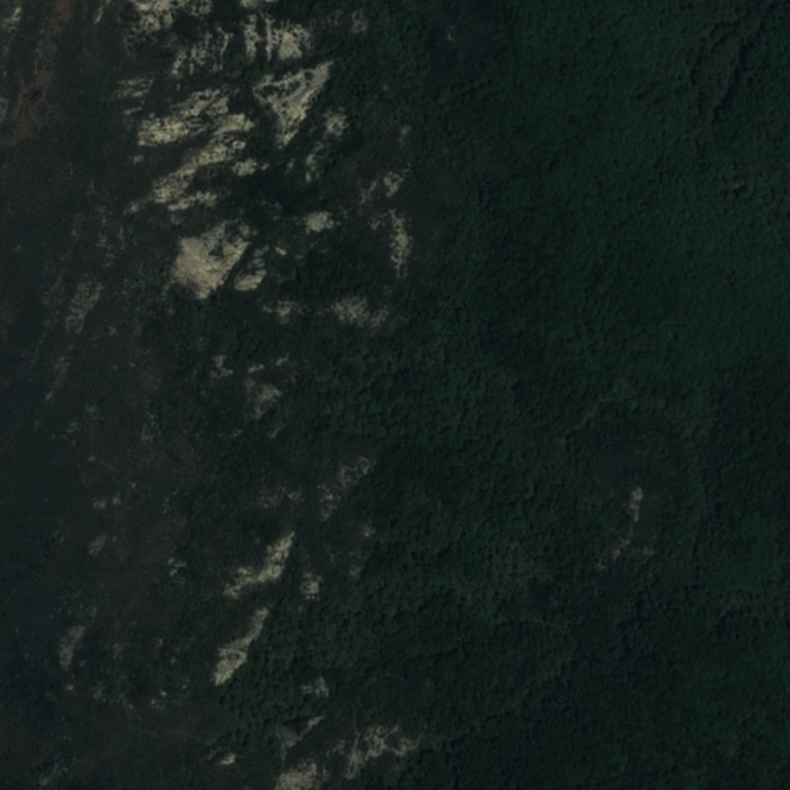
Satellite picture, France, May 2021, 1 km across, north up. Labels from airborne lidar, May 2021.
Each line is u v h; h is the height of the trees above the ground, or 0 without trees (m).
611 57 15
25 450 0
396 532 19
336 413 16
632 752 18
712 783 9
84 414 0
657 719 15
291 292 10
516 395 11
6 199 0
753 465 15
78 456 0
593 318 13
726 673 25
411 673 13
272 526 10
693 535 8
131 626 0
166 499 0
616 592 21
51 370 0
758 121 17
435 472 14
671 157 28
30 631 0
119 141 0
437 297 12
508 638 18
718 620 6
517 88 21
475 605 13
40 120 0
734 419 12
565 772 23
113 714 0
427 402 15
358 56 8
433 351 18
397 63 7
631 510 7
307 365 7
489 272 5
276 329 9
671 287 22
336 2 11
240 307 6
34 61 0
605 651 22
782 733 20
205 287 0
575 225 21
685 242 31
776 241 23
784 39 18
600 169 25
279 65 10
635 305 21
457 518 16
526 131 19
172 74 0
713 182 23
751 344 24
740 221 28
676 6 26
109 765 0
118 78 0
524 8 24
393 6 9
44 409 0
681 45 26
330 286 15
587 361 15
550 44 29
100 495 0
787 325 24
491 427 18
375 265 7
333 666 10
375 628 15
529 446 20
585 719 18
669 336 25
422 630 11
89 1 0
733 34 23
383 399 21
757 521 20
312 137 7
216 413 6
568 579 13
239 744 7
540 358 15
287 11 14
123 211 0
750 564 18
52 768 6
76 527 0
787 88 18
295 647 15
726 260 22
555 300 18
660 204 27
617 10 30
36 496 0
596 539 7
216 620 6
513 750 18
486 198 15
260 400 0
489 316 19
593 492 11
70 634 0
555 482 13
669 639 21
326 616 16
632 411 15
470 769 22
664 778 18
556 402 14
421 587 11
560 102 23
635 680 22
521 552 10
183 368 7
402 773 6
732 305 27
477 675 9
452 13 7
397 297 6
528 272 11
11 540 0
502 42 7
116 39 0
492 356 19
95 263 0
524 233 16
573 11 23
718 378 11
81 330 0
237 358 8
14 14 0
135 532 0
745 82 22
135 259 0
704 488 6
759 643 20
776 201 25
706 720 24
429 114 15
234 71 10
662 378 16
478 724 16
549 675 18
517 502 10
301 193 9
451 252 11
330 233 11
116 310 0
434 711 15
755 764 14
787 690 25
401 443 13
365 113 7
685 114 29
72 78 0
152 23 0
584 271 18
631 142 27
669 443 7
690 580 7
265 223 6
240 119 0
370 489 13
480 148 6
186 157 0
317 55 8
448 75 7
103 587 0
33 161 0
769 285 25
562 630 6
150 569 0
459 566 12
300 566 11
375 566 11
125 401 0
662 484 6
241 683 20
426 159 8
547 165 12
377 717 12
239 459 7
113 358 0
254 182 9
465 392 18
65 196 0
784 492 13
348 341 13
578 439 11
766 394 16
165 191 0
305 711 21
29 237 0
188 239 0
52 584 0
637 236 22
